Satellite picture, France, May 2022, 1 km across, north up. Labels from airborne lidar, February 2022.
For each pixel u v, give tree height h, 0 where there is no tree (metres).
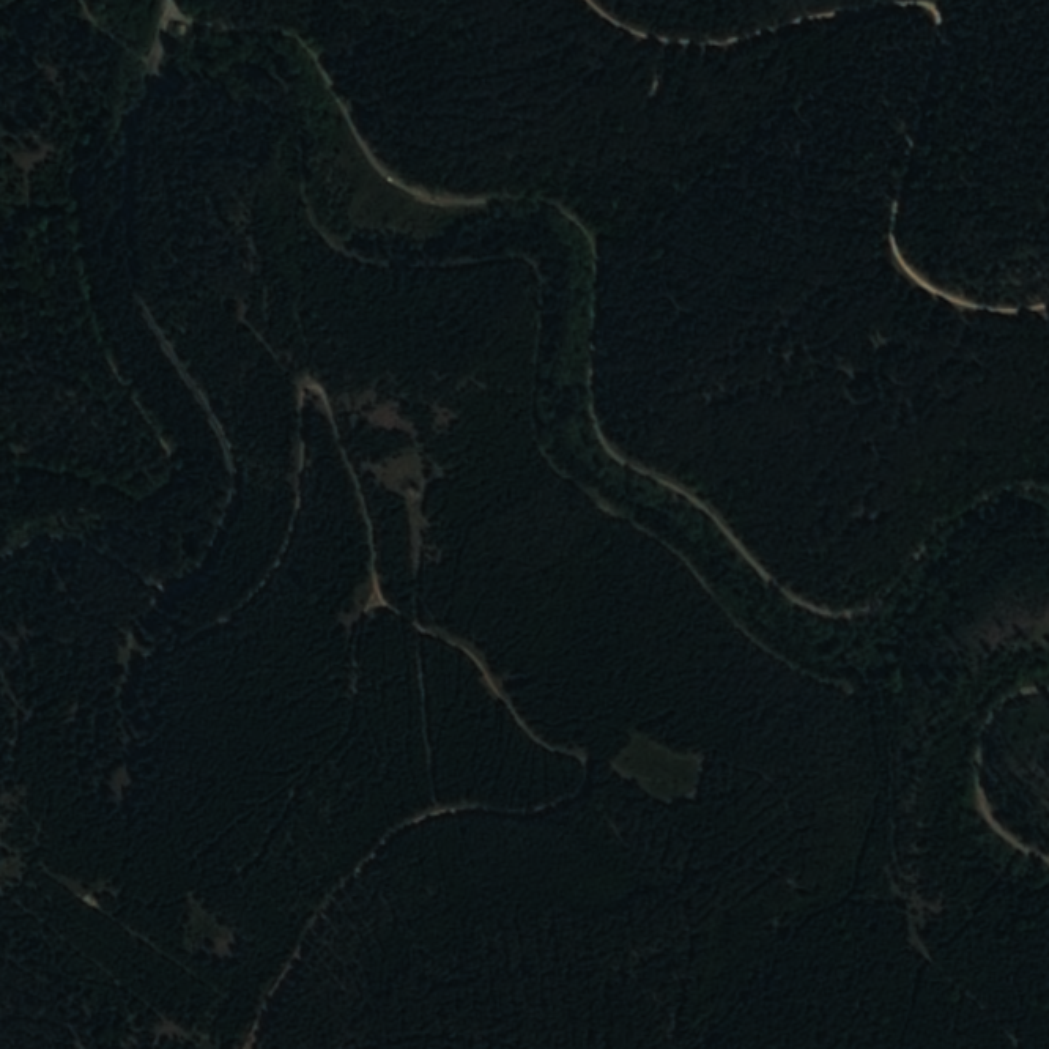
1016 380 21
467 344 7
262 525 9
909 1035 12
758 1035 17
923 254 13
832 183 24
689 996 17
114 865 12
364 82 32
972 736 12
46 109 8
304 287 8
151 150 28
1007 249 24
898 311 13
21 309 28
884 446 20
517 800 15
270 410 10
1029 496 10
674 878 19
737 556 9
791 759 14
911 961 15
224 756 16
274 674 10
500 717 12
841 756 15
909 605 25
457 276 8
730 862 20
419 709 11
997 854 12
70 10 11
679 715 12
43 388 32
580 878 11
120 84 25
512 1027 19
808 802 15
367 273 7
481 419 12
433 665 9
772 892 20
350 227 13
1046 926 9
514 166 17
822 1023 15
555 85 22
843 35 24
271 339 9
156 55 0
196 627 19
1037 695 0
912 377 16
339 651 10
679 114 19
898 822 8
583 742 14
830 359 27
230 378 10
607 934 18
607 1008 22
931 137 25
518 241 21
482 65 22
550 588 8
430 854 11
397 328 12
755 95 27
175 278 27
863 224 18
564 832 16
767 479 17
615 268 17
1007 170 23
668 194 24
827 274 18
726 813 16
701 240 20
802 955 12
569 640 12
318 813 10
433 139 25
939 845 12
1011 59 26
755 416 22
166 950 10
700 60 19
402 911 13
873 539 17
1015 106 28
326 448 21
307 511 9
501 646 15
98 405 35
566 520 19
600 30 18
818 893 13
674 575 10
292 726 13
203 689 19
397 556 9
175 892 14
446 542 11
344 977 19
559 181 15
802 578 15
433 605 14
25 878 10
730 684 10
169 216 28
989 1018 10
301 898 6
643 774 0
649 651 12
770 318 18
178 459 13
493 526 19
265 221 10
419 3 25
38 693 15
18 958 19
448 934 11
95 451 21
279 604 8
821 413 16
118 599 32
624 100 18
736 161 26
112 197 27
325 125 22
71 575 27
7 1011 18
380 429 8
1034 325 24
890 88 29
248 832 12
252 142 19
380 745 11
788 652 11
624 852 12
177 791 19
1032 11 30
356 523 11
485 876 16
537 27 20
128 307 36
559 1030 23
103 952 10
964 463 22
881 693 10
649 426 13
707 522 21
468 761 13
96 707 18
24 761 10
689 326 14
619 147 18
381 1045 21
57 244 30
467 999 20
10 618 6
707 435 18
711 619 12
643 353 16
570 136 19
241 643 12
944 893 7
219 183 29
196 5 25
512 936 19
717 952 12
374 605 0
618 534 14
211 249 25
